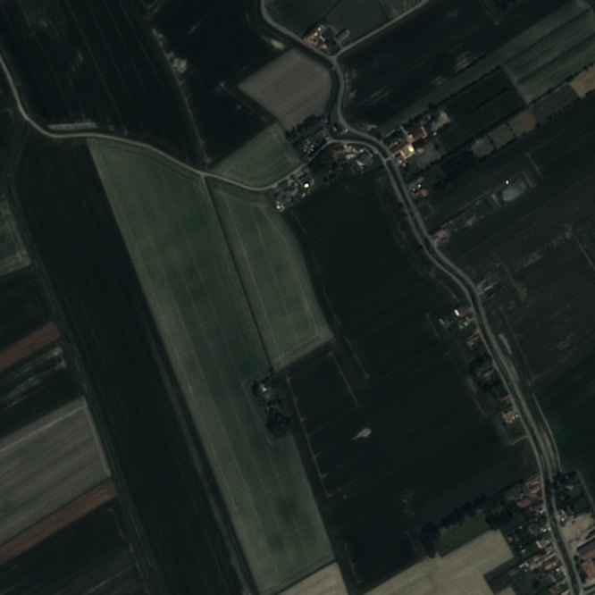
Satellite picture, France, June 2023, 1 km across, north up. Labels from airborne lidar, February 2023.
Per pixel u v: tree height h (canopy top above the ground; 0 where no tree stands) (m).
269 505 0
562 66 0
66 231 0
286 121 0
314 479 0
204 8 0
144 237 0
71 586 0
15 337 0
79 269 0
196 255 0
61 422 0
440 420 0
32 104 0
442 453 0
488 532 0
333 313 0
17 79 0
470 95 0
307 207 0
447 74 0
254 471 0
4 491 0
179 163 0
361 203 0
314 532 0
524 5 0
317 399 0
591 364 0
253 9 0
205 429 0
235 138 0
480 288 0
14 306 0
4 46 0
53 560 0
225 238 0
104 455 0
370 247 0
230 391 0
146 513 0
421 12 0
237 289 0
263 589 0
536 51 0
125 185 0
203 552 0
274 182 0
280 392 18
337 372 0
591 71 0
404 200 0
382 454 0
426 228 0
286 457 0
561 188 0
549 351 0
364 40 0
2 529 0
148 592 0
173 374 0
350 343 0
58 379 0
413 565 0
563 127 0
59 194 0
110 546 0
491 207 0
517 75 0
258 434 0
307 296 0
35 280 0
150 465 0
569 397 0
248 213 0
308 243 0
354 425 0
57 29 0
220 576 0
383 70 0
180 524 0
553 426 0
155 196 0
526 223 0
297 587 0
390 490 0
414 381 0
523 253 0
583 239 0
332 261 0
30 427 0
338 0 0
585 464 0
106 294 0
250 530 0
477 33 0
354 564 0
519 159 0
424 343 0
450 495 0
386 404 0
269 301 0
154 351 0
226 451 0
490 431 0
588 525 0
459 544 0
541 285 0
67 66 0
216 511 0
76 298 0
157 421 0
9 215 0
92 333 0
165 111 0
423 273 0
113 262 0
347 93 0
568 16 0
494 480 0
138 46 0
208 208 0
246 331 0
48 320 0
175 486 0
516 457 0
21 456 0
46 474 0
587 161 0
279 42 0
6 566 0
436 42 0
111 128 0
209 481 0
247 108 0
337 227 0
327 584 0
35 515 0
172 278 0
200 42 0
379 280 0
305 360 0
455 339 0
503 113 0
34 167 0
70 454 0
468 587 0
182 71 0
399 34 0
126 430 0
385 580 0
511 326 0
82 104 0
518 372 0
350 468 0
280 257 0
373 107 0
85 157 0
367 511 0
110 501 0
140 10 0
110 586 0
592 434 0
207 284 0
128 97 0
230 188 0
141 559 0
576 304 0
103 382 0
